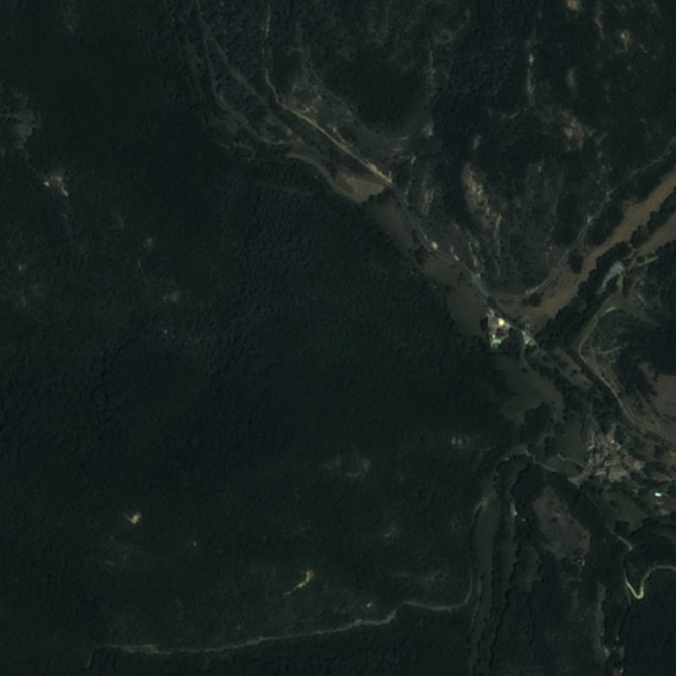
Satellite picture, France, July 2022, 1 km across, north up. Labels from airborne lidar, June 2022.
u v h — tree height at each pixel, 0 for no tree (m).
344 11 7
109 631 9
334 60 10
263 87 10
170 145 11
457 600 8
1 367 8
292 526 11
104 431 9
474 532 10
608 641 16
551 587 8
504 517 10
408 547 8
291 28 6
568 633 6
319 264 8
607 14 8
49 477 15
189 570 9
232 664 18
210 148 15
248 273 13
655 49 6
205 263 9
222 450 19
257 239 10
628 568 13
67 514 15
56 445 9
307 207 13
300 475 8
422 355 6
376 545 7
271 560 12
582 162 9
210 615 11
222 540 12
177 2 13
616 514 0
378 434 11
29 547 19
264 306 8
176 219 16
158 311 11
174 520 7
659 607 13
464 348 17
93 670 14
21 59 11
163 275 12
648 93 11
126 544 10
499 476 7
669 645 19
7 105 12
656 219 12
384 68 7
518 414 0
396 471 9
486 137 6
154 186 14
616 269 0
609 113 9
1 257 8
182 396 16
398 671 15
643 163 8
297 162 7
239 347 12
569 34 8
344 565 17
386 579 9
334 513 9
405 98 12
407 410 11
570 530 0
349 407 15
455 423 12
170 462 16
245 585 12
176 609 8
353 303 9
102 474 14
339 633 8
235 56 7
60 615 19
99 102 11
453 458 15
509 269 7
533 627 10
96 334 13
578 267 12
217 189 7
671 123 9
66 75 12
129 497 13
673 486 7
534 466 14
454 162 8
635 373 5
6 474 12
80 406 18
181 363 13
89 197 9
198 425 16
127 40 13
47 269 7
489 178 8
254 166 7
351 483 10
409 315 10
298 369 12
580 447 0
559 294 0
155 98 11
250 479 12
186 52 10
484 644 13
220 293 10
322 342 9
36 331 14
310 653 10
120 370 15
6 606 12
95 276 6
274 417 15
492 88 9
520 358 6
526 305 11
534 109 7
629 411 0
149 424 13
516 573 11
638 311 0
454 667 13
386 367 13
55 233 13
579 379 0
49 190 13
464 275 7
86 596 7
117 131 9
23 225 10
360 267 9
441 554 9
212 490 10
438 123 7
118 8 12
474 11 9
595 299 14
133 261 11
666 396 0
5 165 7
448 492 12
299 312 14
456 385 17
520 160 10
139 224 10
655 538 13
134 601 13
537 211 8
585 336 0
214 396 13
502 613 10
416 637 12
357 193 0
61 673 17
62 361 11
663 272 6
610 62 7
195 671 16
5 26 8
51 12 9
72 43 11
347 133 8
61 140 13
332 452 9
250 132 7
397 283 6
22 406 11
